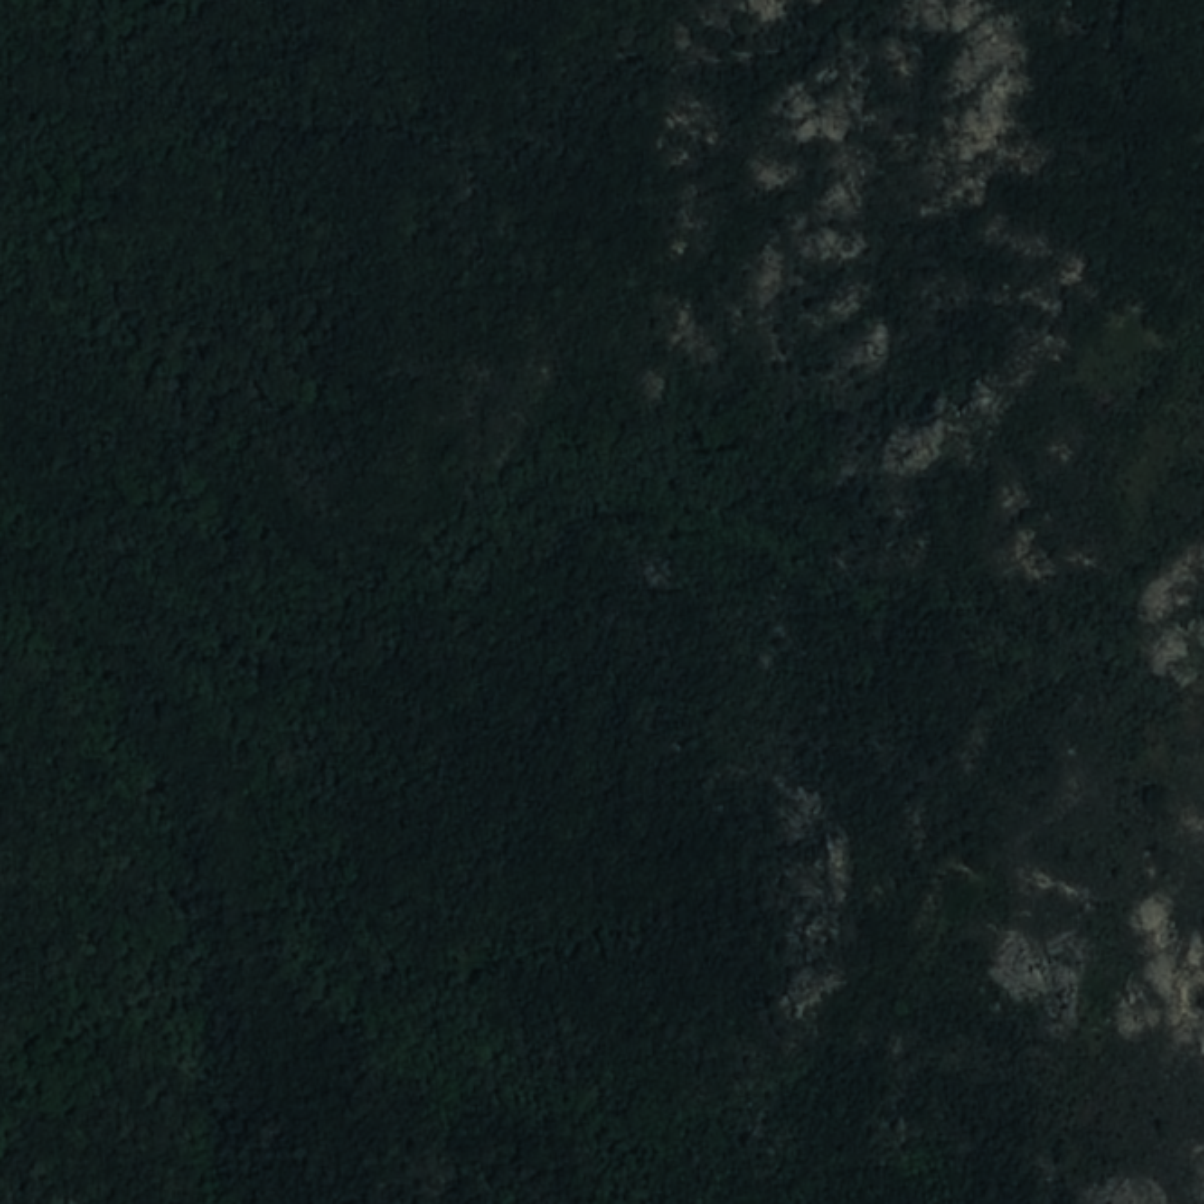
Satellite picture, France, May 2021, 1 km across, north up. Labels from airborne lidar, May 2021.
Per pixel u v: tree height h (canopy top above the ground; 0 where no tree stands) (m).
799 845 7
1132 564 8
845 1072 8
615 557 8
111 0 21
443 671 16
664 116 9
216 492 12
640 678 7
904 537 6
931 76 6
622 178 12
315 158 20
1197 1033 0
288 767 24
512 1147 10
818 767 7
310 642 14
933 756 8
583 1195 12
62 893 15
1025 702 7
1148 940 0
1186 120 17
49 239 20
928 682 12
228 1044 11
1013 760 6
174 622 17
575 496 17
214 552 20
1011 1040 8
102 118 22
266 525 10
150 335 23
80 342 11
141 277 16
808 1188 13
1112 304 7
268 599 16
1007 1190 12
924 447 0
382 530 11
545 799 13
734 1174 11
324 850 19
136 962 21
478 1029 22
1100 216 9
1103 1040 7
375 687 12
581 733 13
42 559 16
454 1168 10
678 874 12
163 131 19
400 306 9
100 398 15
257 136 19
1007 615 10
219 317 16
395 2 19
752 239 8
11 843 10
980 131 0
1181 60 14
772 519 16
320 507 12
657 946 12
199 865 18
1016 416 6
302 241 14
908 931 6
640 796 6
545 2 12
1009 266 8
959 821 8
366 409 15
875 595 11
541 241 8
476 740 13
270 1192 14
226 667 17
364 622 17
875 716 11
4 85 9
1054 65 8
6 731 19
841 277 9
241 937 8
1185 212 16
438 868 11
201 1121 17
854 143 7
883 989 9
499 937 15
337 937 14
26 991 14
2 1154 12
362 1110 14
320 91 16
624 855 10
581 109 13
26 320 12
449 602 18
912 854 10
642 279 6
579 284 7
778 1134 6
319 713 19
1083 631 7
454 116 11
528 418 7
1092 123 11
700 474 19
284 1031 11
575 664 10
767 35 8
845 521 9
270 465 6
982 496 8
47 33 9
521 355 6
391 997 19
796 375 11
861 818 8
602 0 13
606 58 13
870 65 7
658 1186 13
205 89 20
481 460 6
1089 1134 6
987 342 6
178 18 18
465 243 7
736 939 10
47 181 14
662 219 7
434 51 12
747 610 9
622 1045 12
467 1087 21
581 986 11
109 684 16
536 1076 15
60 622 18
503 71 10
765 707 7
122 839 12
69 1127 14
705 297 8
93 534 17
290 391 19
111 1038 18
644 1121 16
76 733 17
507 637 12
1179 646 0
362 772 18
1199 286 8
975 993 7
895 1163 11
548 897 10
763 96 14
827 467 14
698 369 6
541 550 9
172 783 9
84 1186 14
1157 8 17
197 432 14
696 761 8
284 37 8
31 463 9
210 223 21
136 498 19
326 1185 9
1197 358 7
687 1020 7
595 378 10
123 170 19
